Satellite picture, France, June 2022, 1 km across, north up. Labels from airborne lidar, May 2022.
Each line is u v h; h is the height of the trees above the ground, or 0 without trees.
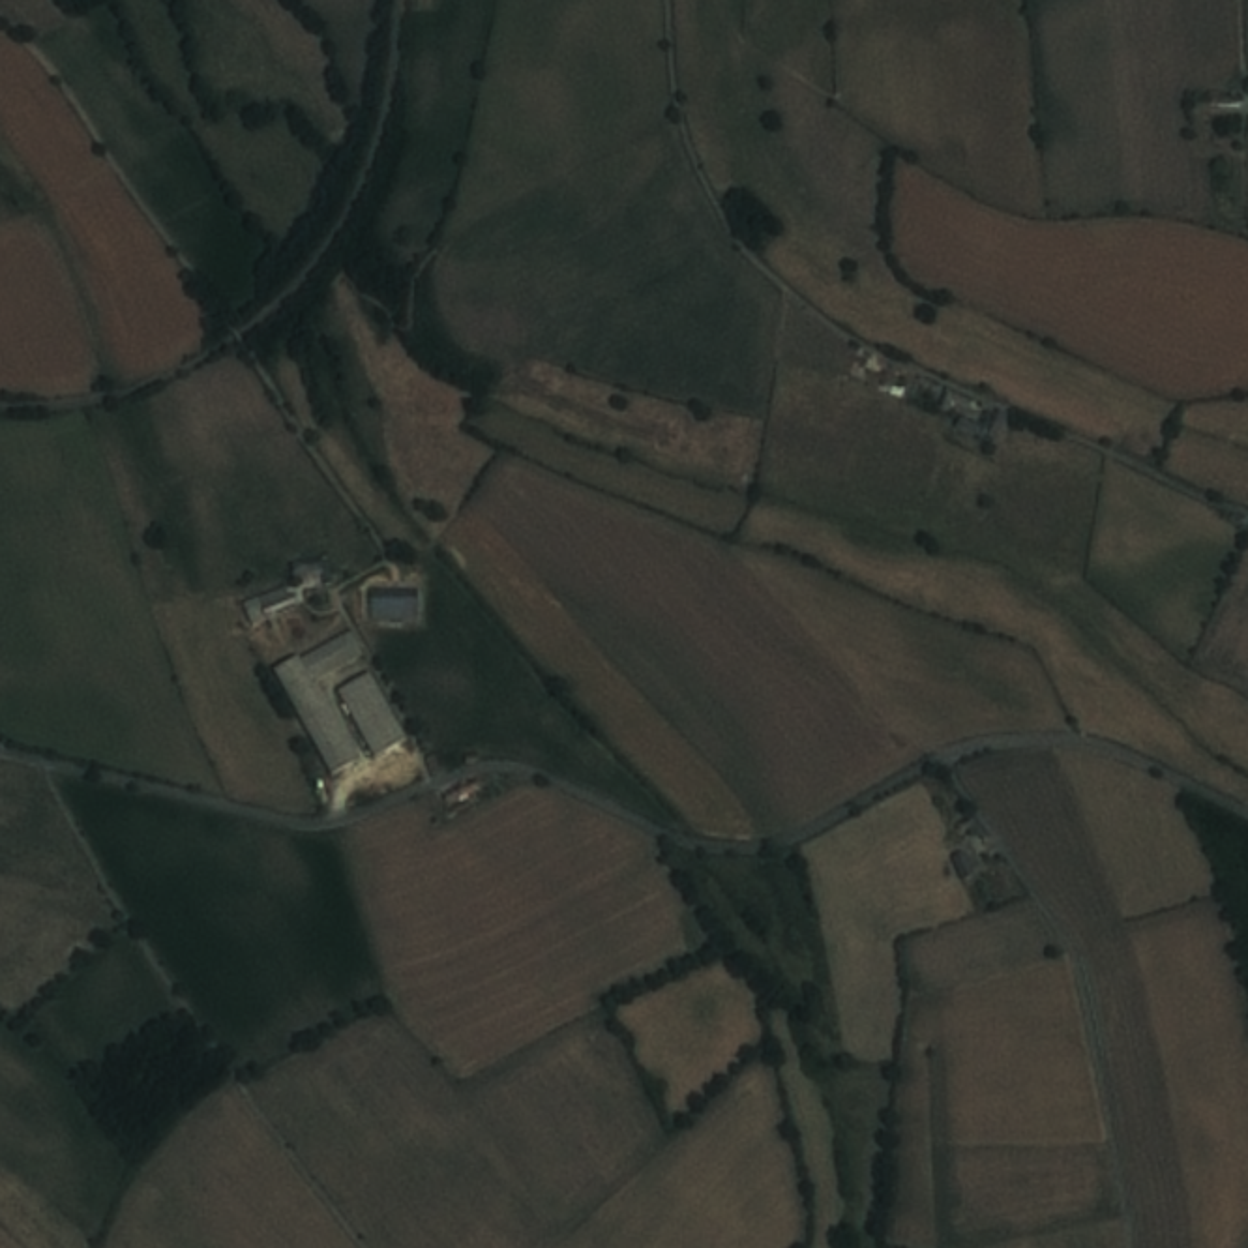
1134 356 0
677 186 0
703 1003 0
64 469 0
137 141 0
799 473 0
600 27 0
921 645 0
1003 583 0
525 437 0
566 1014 0
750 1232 0
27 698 0
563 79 0
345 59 0
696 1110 17
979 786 0
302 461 0
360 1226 0
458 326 0
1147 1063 0
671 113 12
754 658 0
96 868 0
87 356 0
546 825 0
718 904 0
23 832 0
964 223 0
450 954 0
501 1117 0
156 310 0
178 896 0
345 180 19
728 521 0
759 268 0
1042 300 0
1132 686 0
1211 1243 0
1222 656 0
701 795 0
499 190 0
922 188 0
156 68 0
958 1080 0
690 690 0
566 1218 0
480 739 0
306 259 14
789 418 0
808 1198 9
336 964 0
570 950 0
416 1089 0
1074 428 0
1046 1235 0
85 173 0
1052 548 0
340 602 0
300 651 0
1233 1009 0
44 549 0
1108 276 0
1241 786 0
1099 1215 0
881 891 0
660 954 0
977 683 0
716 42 0
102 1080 12
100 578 0
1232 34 0
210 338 8
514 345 0
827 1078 0
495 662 0
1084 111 0
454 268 0
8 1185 0
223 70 0
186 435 0
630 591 0
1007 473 0
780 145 0
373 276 18
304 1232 0
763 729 0
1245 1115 0
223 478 0
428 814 0
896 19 0
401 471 0
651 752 0
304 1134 0
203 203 0
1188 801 13
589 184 0
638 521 0
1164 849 0
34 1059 0
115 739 0
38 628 0
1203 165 0
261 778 0
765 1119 0
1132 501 0
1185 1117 0
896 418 0
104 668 0
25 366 0
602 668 0
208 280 10
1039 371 0
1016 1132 0
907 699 0
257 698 0
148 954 0
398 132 14
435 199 0
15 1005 0
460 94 0
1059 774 0
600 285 0
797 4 0
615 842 0
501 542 0
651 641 0
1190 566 0
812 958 0
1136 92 0
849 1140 0
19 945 0
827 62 0
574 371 8
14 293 0
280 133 0
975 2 0
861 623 0
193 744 0
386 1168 0
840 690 0
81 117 0
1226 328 0
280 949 0
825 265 0
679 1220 0
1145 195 0
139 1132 11
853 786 0
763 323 0
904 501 0
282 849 0
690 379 0
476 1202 0
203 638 0
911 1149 0
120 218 0
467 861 0
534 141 0
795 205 0
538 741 0
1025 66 0
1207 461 0
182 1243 0
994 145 0
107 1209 0
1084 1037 0
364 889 0
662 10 0
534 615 0
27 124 0
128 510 0
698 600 0
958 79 0
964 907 0
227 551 0
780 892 0
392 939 0
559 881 0
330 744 0
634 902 0
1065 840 0
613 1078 0
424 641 0
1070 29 0
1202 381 0
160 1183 0
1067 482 0
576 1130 0
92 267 0
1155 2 0
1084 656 0
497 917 0
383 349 0
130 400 8
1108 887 0
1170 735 0
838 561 0
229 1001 0
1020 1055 0
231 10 0
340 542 0
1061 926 0
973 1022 0
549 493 0
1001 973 0
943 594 0
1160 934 0
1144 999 0
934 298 11
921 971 0
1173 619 0
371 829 0
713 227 0
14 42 9
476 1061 0
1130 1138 0
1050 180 0
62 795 0
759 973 14
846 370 0
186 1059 9
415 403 0
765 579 0
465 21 0
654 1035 0
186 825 0
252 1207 0
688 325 0
